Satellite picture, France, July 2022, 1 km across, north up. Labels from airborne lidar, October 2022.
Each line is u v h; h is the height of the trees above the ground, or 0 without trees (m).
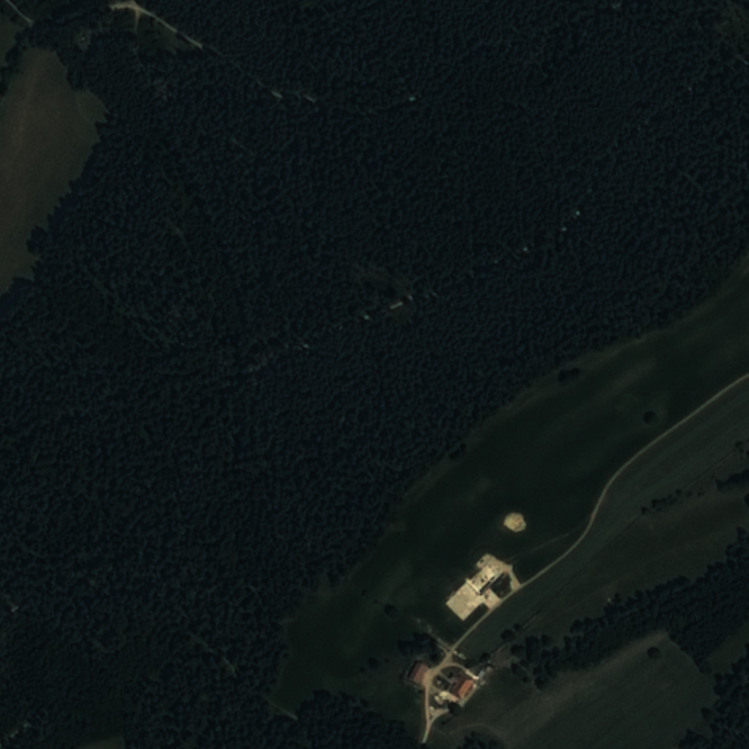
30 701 18
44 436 32
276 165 31
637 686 0
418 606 0
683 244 33
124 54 29
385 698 0
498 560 0
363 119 33
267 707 32
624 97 24
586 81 27
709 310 0
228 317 11
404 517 0
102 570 28
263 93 31
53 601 33
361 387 27
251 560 24
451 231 34
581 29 8
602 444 0
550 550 0
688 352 0
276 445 23
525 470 0
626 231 28
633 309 32
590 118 26
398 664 0
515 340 31
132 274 37
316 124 36
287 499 33
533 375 19
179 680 30
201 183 33
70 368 26
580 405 0
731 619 14
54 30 25
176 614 35
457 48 30
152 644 11
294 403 34
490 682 0
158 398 27
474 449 0
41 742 11
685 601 13
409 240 34
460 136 32
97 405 31
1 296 0
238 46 34
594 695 0
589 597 0
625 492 0
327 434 34
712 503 0
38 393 25
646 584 0
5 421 31
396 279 26
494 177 30
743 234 17
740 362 0
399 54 32
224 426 20
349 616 0
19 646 6
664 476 0
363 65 36
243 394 33
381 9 30
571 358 19
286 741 32
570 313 27
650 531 0
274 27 34
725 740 23
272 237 36
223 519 30
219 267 10
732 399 0
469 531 0
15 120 0
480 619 0
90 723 14
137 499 23
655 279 33
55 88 0
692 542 0
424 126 28
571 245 26
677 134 29
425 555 0
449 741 0
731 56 34
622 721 0
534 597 0
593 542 0
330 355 29
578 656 15
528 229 34
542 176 37
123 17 8
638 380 0
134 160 28
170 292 14
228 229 35
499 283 33
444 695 0
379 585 0
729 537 0
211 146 36
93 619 20
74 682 13
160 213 35
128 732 13
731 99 33
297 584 28
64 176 0
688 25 10
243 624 18
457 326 28
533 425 0
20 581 32
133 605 37
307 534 29
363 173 32
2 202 0
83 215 29
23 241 0
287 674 0
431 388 34
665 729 0
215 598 13
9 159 0
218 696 15
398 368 29
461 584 0
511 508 0
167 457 26
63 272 27
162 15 32
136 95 23
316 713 27
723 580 20
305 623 0
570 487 0
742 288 0
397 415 33
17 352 28
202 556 25
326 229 31
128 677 7
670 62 28
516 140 33
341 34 34
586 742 0
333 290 32
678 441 0
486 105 30
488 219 36
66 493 9
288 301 31
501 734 0
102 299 22
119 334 15
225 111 36
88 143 0
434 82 33
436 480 0
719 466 0
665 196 34
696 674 0
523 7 28
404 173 34
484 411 27
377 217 18
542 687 18
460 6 33
